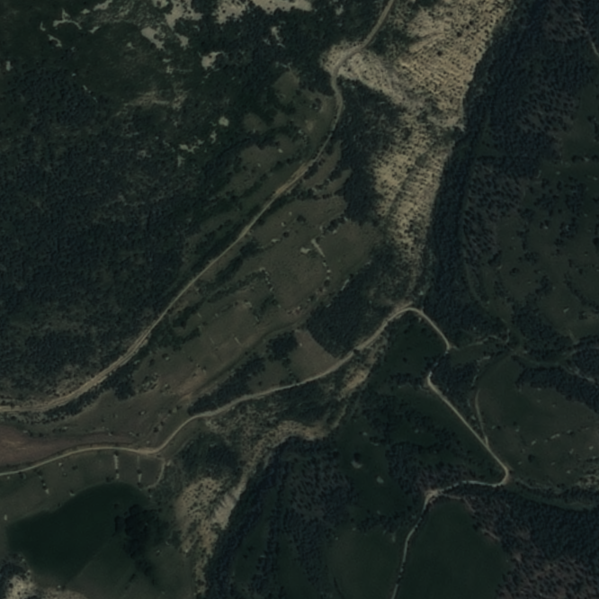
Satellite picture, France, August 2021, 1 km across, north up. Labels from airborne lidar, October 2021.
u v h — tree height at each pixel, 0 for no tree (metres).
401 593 0
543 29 15
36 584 0
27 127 12
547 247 0
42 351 9
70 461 0
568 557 13
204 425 0
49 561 0
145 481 0
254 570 0
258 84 7
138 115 8
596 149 0
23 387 8
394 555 0
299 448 9
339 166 7
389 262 6
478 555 0
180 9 0
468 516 0
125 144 8
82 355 10
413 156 0
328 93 8
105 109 6
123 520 13
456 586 0
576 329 0
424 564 0
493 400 0
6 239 9
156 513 8
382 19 0
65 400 0
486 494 14
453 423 0
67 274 10
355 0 5
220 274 7
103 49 0
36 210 8
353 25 0
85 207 8
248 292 0
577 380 11
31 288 10
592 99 0
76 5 0
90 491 0
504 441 0
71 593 0
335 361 0
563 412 0
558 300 0
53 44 13
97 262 14
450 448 9
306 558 7
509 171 13
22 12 0
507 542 11
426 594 0
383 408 6
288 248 0
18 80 10
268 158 0
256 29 11
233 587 10
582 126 0
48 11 0
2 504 0
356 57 0
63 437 0
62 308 9
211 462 6
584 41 14
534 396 0
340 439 0
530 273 0
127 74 0
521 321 10
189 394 0
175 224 10
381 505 0
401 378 8
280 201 9
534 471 0
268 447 8
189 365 0
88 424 0
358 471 0
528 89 10
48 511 0
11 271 12
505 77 10
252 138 7
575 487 7
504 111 10
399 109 6
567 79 7
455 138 8
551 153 9
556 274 0
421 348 0
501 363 0
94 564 0
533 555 12
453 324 8
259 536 0
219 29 7
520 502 12
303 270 0
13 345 10
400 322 6
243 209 7
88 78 0
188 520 0
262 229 0
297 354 0
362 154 9
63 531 0
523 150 12
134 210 9
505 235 0
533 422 0
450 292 6
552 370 7
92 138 10
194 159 7
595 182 0
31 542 0
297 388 10
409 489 6
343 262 0
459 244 11
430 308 10
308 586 0
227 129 7
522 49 12
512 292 0
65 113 14
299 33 8
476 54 6
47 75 8
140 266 7
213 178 17
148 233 14
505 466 0
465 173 9
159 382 0
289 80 0
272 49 10
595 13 8
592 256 0
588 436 0
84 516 0
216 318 0
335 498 10
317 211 0
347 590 0
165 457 0
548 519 15
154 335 6
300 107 0
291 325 0
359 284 8
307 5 0
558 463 0
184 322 11
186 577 0
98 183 10
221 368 0
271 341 6
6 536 0
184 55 0
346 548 0
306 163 0
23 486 0
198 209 7
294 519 9
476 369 7
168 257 11
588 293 0
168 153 8
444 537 0
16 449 0
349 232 0
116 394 6
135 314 10
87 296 9
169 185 7
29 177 13
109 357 7
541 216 0
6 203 9
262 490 14
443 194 11
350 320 11
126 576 0
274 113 5
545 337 8
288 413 9
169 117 6
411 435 0
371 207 8
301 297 0
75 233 14
